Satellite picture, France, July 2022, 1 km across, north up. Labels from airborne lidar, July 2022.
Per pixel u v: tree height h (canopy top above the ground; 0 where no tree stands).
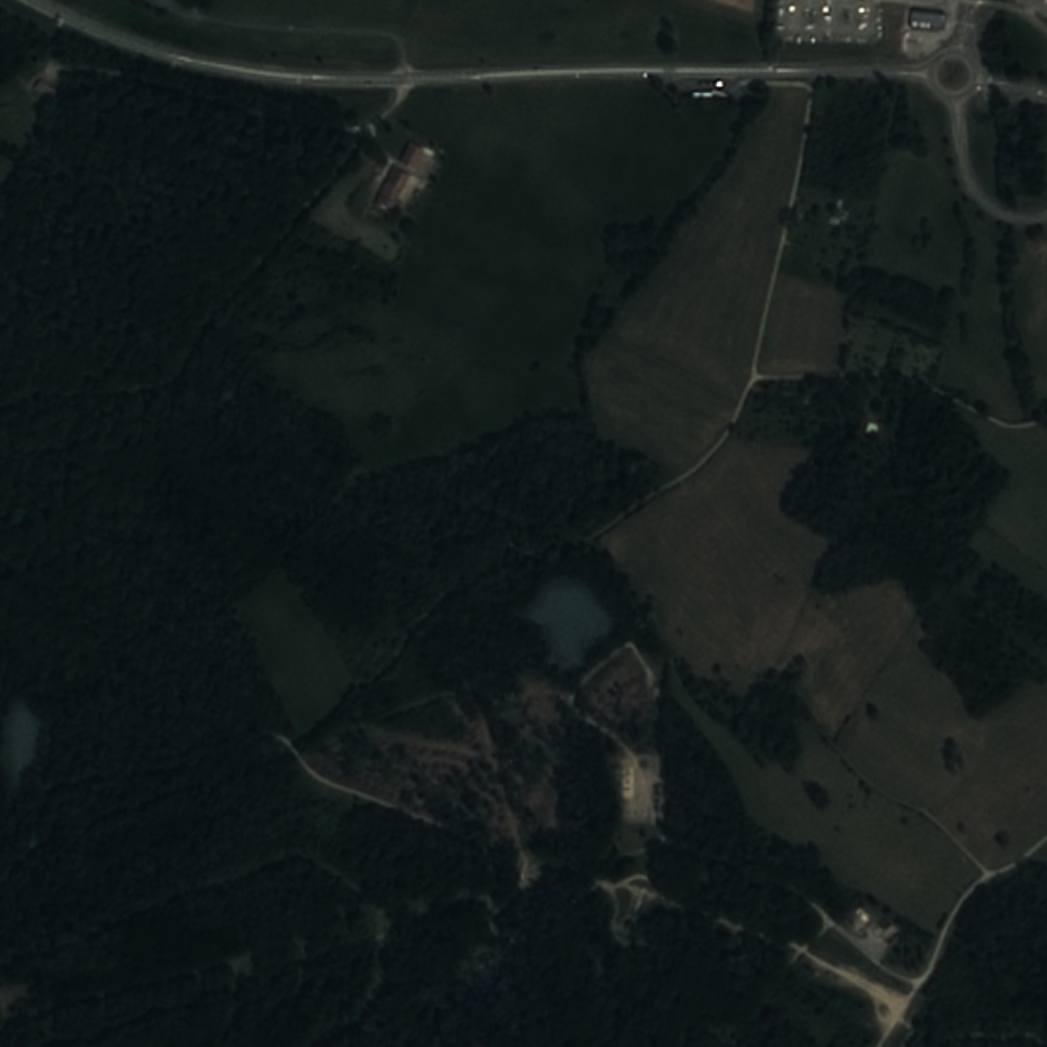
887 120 8
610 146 0
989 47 18
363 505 21
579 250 0
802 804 0
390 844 21
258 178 29
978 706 10
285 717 7
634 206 0
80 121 23
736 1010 27
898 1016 0
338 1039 23
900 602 0
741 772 0
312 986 17
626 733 20
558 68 0
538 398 0
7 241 27
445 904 8
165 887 24
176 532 26
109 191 27
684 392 0
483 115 0
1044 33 0
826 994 10
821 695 0
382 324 0
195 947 7
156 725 23
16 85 0
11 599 20
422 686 7
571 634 0
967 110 0
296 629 0
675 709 16
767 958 23
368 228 0
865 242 8
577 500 16
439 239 0
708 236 0
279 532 23
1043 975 18
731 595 0
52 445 12
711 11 0
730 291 0
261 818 21
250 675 23
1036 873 19
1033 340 0
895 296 15
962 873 0
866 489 19
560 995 27
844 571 9
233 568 20
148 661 22
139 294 24
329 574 20
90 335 26
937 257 0
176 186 26
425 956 26
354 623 13
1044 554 0
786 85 0
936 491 17
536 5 0
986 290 0
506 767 22
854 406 15
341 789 0
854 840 0
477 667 22
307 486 24
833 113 5
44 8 0
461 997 9
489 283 0
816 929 17
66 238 24
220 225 22
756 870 23
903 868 0
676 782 20
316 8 0
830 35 0
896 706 0
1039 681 9
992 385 0
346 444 17
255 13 0
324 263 11
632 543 0
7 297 24
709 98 10
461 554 23
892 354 7
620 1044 22
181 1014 21
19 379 25
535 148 0
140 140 25
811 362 0
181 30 0
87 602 17
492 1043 24
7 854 19
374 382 0
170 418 23
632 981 20
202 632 22
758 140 0
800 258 0
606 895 14
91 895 24
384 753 17
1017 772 0
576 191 0
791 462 0
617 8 0
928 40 0
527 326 0
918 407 18
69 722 19
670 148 0
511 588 22
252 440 22
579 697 18
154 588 23
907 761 0
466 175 0
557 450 17
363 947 8
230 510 20
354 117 10
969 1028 6
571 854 29
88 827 21
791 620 0
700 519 0
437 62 0
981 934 16
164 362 26
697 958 25
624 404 0
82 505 25
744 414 0
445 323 0
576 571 16
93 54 13
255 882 20
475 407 0
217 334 19
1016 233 13
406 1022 20
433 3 0
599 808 21
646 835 9
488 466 20
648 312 0
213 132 28
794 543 0
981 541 0
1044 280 0
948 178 0
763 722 15
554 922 27
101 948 24
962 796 0
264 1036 23
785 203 0
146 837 18
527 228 0
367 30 0
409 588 12
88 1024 12
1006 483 14
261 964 15
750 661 0
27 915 29
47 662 17
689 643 0
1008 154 13
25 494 26
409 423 0
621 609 13
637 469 18
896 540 9
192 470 19
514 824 0
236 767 20
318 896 18
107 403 20
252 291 9
